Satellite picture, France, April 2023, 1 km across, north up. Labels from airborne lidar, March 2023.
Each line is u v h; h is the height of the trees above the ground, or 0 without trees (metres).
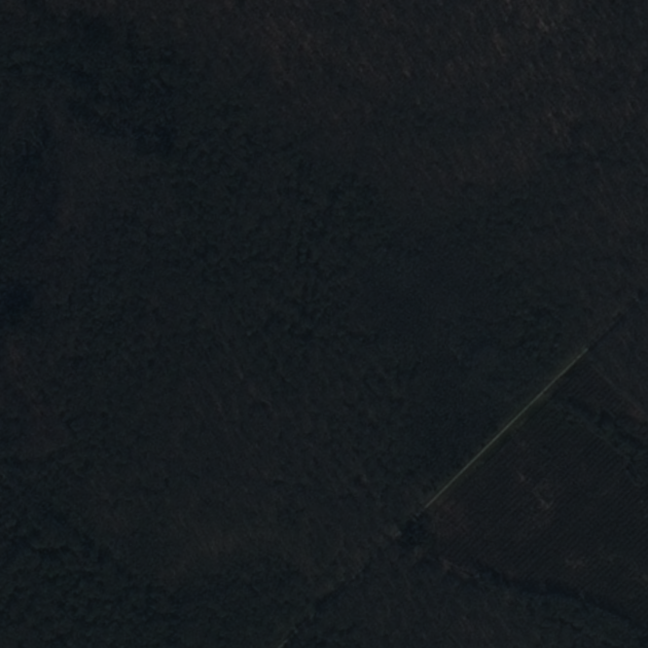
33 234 23
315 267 24
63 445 19
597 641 22
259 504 27
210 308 29
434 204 26
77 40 22
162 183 24
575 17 22
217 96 17
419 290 21
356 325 24
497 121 20
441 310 26
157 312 22
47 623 26
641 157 25
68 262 23
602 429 18
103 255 23
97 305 24
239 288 25
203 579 20
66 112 22
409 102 27
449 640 22
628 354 26
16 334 26
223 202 26
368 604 26
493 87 25
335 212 20
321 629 20
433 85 27
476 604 28
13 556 13
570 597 26
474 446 23
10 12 18
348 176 23
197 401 28
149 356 27
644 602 8
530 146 25
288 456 28
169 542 22
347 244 21
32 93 19
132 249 23
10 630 26
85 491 21
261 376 24
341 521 29
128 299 20
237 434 25
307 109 25
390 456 21
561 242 30
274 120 23
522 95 25
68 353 19
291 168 22
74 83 21
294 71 26
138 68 25
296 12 26
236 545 23
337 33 27
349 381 29
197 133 22
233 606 21
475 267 20
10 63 22
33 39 25
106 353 23
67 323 27
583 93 27
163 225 29
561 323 26
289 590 22
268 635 21
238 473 26
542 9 22
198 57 23
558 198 25
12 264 19
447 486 0
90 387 23
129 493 23
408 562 25
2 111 20
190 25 21
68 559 23
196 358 29
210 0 24
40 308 23
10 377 27
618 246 25
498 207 23
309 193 18
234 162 21
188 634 27
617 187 27
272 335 24
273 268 26
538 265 24
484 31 25
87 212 23
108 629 22
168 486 25
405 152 24
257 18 25
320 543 26
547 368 21
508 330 19
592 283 27
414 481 26
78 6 20
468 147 27
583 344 21
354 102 28
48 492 23
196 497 26
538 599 27
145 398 28
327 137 23
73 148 23
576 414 16
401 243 22
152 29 19
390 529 25
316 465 27
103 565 22
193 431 27
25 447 26
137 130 26
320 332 24
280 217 29
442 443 25
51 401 27
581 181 27
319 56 26
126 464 25
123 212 19
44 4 21
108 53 20
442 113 22
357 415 28
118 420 30
